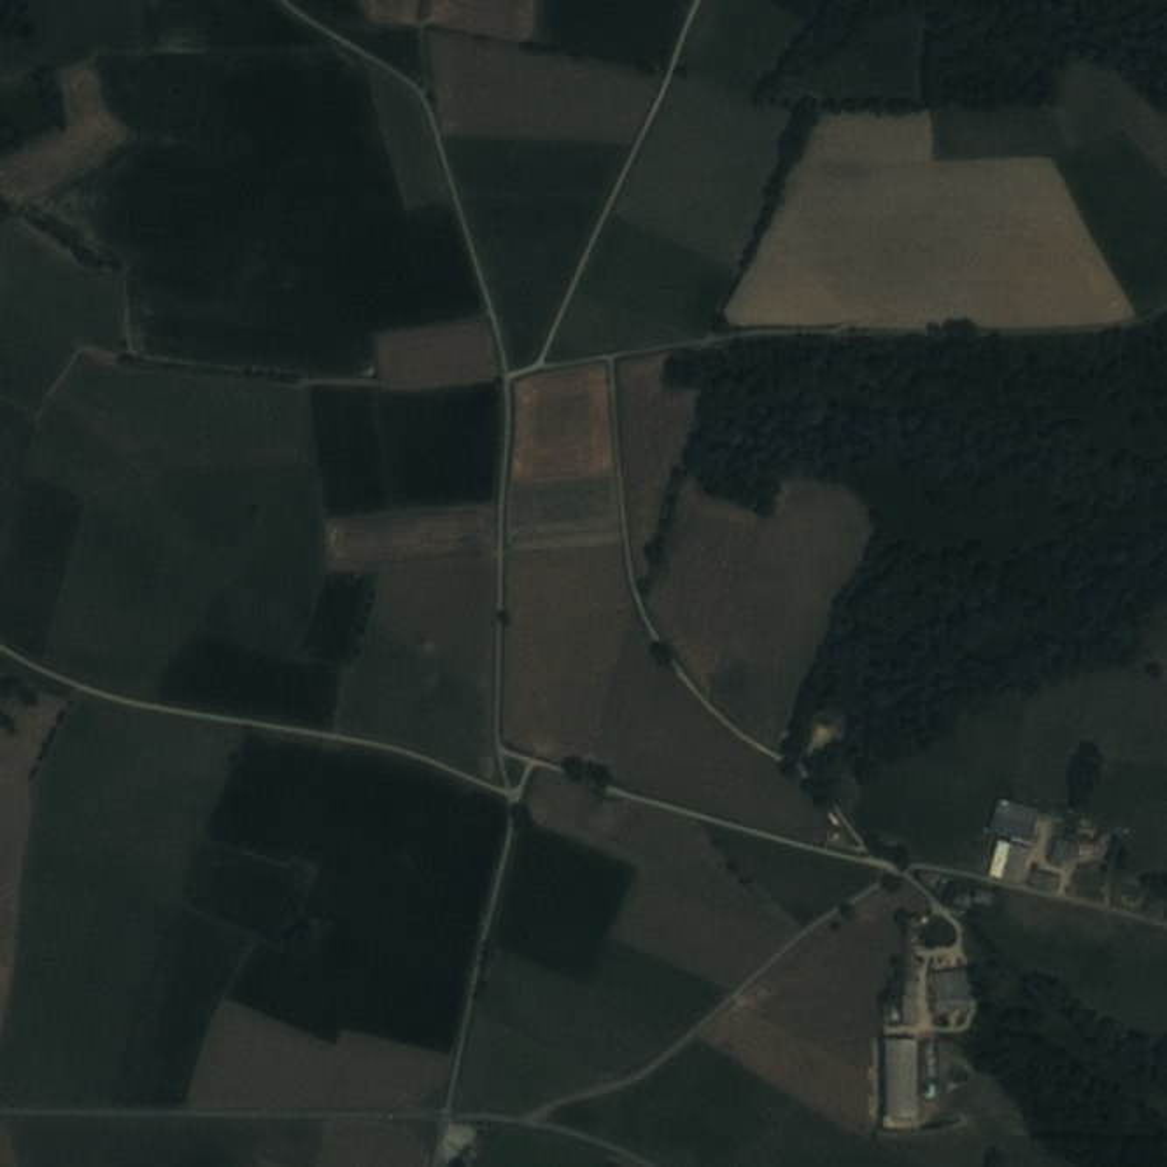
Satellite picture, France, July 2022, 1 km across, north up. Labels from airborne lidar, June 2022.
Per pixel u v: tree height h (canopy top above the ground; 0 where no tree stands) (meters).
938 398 31
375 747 0
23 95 0
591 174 0
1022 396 17
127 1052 0
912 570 19
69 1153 0
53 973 0
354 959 0
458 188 0
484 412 0
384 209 0
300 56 0
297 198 0
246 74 0
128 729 0
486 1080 0
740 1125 0
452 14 0
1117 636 18
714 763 0
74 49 0
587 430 0
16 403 0
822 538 0
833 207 0
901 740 16
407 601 0
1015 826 0
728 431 29
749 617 0
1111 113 0
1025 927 0
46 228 7
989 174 0
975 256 0
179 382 0
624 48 0
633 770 0
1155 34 11
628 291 0
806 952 0
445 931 0
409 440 0
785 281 0
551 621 0
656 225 0
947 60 17
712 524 0
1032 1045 20
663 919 0
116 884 0
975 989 13
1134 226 0
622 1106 0
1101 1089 14
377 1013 0
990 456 23
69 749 0
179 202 0
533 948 0
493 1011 0
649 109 0
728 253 0
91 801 0
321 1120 0
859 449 20
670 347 0
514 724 0
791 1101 0
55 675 0
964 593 32
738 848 0
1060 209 0
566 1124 0
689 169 0
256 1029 0
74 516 0
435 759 0
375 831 0
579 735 0
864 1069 0
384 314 0
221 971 0
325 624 0
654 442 0
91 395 0
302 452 0
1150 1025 0
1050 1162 0
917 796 0
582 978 0
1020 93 15
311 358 0
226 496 0
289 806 0
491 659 0
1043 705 0
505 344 0
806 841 0
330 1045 0
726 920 0
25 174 0
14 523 0
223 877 0
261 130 0
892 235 0
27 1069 0
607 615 0
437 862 0
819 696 8
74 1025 0
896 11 13
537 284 0
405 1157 0
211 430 0
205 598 0
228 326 0
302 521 0
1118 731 0
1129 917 0
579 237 0
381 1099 0
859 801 0
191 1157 0
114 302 0
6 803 0
